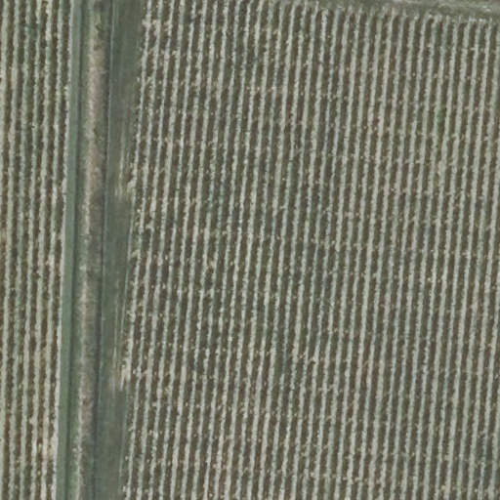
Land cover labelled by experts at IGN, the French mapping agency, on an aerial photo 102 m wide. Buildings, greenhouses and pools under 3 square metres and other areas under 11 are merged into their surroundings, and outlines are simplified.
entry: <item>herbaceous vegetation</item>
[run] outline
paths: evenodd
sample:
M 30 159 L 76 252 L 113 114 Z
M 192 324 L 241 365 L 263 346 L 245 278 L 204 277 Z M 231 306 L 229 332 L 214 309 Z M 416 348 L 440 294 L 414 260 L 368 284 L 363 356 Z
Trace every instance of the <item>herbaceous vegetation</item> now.
M 131 437 L 129 428 L 133 420 L 133 396 L 137 385 L 137 377 L 131 377 L 129 381 L 125 381 L 125 385 L 121 385 L 121 371 L 127 355 L 131 320 L 129 309 L 135 271 L 135 258 L 127 258 L 127 252 L 137 250 L 139 209 L 141 201 L 148 197 L 146 187 L 143 187 L 143 195 L 137 195 L 137 187 L 129 187 L 127 184 L 133 178 L 141 92 L 141 55 L 145 45 L 146 0 L 88 0 L 88 104 L 84 123 L 86 178 L 80 234 L 80 350 L 76 365 L 78 404 L 72 500 L 125 500 L 123 488 L 127 486 L 127 455 Z

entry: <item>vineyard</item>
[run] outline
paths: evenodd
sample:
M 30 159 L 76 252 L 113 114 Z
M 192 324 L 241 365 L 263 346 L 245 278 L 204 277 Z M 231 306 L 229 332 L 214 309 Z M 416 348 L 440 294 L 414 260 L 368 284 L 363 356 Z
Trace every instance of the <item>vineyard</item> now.
M 139 209 L 137 250 L 127 252 L 127 258 L 135 258 L 135 271 L 129 309 L 131 320 L 127 355 L 121 371 L 121 385 L 125 385 L 125 381 L 129 381 L 131 377 L 137 377 L 137 385 L 133 396 L 133 420 L 129 428 L 131 437 L 127 455 L 127 486 L 123 488 L 125 500 L 500 500 L 500 0 L 146 0 L 145 45 L 141 55 L 141 92 L 133 178 L 127 184 L 129 187 L 137 187 L 137 195 L 143 195 L 143 187 L 146 187 L 148 197 L 141 201 Z
M 80 234 L 86 178 L 84 123 L 88 104 L 88 0 L 0 0 L 0 500 L 72 500 L 78 404 L 76 365 L 80 350 Z

